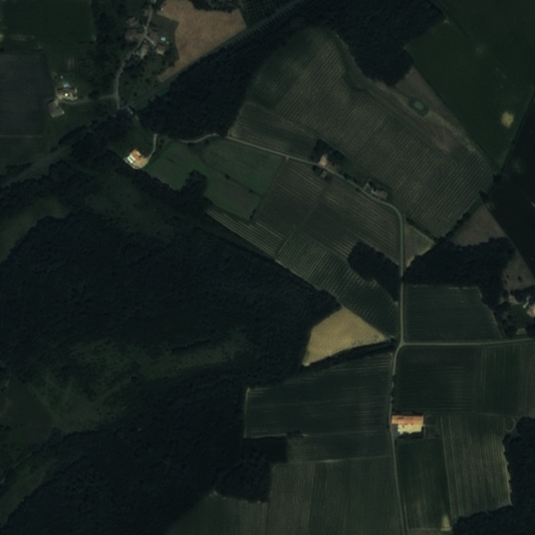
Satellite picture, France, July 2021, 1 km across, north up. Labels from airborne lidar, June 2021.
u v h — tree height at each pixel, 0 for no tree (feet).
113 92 0
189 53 0
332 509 0
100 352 17
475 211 0
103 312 79
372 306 0
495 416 0
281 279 68
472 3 0
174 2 0
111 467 49
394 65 75
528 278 0
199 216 49
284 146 0
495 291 62
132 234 26
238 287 69
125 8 43
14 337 75
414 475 0
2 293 77
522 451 73
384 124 0
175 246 22
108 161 65
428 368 0
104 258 94
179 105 73
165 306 69
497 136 0
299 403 0
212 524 0
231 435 27
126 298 76
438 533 0
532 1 0
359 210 0
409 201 0
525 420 36
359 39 60
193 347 44
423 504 0
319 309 61
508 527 60
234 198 0
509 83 0
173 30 0
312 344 0
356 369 0
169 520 62
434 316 0
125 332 23
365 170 0
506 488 0
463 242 0
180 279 76
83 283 86
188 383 34
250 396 0
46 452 37
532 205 0
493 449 0
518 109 0
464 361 0
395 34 67
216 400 64
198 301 59
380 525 0
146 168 0
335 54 0
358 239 0
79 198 20
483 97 0
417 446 0
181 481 75
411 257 0
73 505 94
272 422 0
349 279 0
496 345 0
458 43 0
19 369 22
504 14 0
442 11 60
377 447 0
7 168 30
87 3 0
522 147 0
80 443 49
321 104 0
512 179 0
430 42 0
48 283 86
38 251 84
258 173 0
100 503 81
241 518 0
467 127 0
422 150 0
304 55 0
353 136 0
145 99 0
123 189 0
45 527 78
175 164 0
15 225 0
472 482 0
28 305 68
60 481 70
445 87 0
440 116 0
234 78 73
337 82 0
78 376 18
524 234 0
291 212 0
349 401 0
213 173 0
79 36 0
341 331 0
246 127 0
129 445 44
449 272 53
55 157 0
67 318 70
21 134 0
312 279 0
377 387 0
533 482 61
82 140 57
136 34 0
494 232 0
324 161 0
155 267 75
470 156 0
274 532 0
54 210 0
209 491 36
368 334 0
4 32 0
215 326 22
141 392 41
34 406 0
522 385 0
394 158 0
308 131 0
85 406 0
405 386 0
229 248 62
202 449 82
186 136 40
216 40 0
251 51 76
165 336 21
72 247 90
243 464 30
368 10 68
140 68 23
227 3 21
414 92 0
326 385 0
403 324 0
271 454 33
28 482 0
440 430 0
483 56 0
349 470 0
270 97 0
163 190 65
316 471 0
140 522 64
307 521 0
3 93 0
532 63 0
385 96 0
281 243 0
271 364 52
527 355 0
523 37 0
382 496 0
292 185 0
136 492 65
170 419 69
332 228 0
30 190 91
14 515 35
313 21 48
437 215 0
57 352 19
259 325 36
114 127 62
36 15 0
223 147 0
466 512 0
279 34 63
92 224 80
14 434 0
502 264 68
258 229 0
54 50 0
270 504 0
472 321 0
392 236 0
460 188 0
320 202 0
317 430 0
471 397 0
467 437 0
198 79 56
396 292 42
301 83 0
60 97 0
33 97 0
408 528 0
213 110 71
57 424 0
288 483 0
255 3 20
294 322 56
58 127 0
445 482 0
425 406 0
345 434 0
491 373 0
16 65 0
